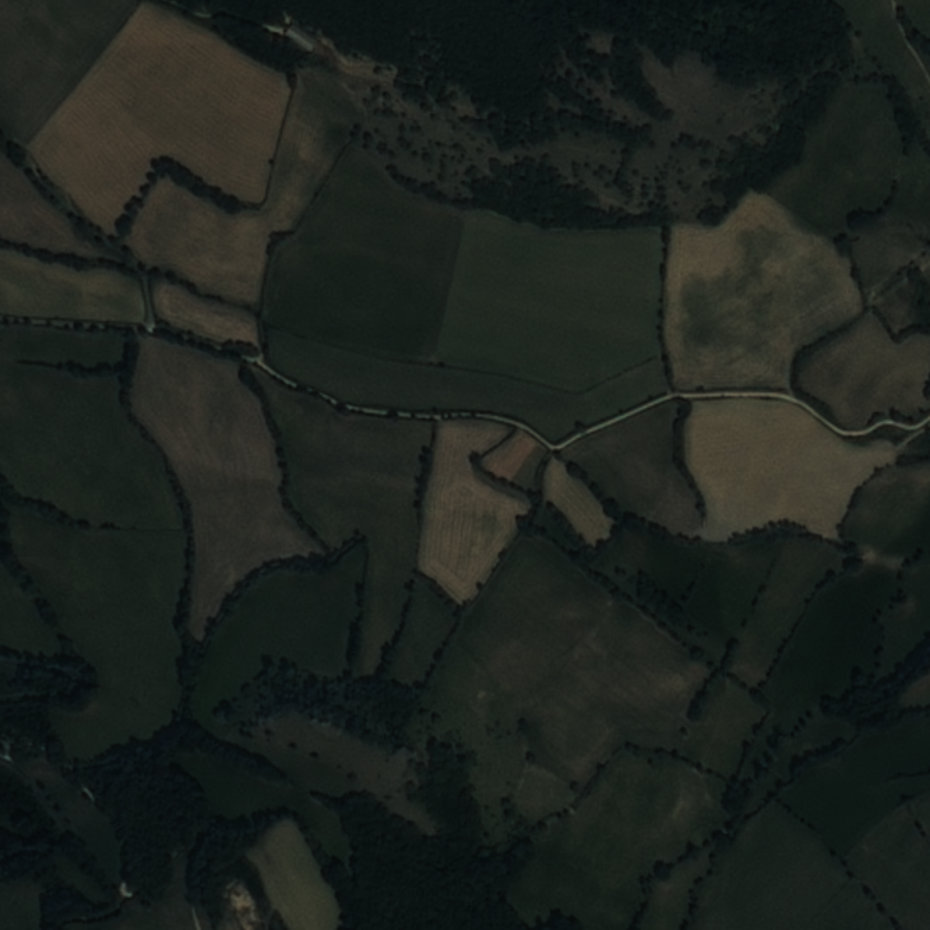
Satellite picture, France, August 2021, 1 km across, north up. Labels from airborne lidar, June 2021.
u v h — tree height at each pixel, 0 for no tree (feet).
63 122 0
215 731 0
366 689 40
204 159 0
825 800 0
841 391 0
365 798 40
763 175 48
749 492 0
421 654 0
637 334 0
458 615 41
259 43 45
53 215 0
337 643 0
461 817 70
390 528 0
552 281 0
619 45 32
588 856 0
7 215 0
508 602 0
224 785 0
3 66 0
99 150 0
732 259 0
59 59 0
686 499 0
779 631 0
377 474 0
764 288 0
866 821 0
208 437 0
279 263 0
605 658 0
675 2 83
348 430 0
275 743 0
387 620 0
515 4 52
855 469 0
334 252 0
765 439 0
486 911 82
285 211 0
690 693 0
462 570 0
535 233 0
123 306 0
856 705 33
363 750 0
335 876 78
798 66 37
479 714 0
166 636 0
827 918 0
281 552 0
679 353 0
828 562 0
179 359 0
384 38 35
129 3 0
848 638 0
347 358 0
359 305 0
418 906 77
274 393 0
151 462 0
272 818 27
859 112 0
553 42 45
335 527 0
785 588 0
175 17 0
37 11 0
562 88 28
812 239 0
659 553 0
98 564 0
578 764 0
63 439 0
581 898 0
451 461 0
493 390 0
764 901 0
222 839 46
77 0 0
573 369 0
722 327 0
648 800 0
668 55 35
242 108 0
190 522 31
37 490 0
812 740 0
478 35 42
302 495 0
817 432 0
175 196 0
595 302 0
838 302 0
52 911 53
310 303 0
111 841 0
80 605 0
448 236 0
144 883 42
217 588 0
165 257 0
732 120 0
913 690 0
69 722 0
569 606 0
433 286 0
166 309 0
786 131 49
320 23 35
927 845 0
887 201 19
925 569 0
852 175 0
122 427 0
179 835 56
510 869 73
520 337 0
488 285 0
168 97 0
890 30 0
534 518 27
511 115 29
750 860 0
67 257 29
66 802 0
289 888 0
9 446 0
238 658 0
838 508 0
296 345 0
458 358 0
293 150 0
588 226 34
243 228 0
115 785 56
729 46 60
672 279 0
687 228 0
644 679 0
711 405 0
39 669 62
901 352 0
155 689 0
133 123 0
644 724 0
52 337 0
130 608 0
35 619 0
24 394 0
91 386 0
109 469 0
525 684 0
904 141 26
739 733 0
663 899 0
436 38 20
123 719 0
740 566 0
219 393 0
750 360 0
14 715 24
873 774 0
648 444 0
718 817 0
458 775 82
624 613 0
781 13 78
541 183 30
